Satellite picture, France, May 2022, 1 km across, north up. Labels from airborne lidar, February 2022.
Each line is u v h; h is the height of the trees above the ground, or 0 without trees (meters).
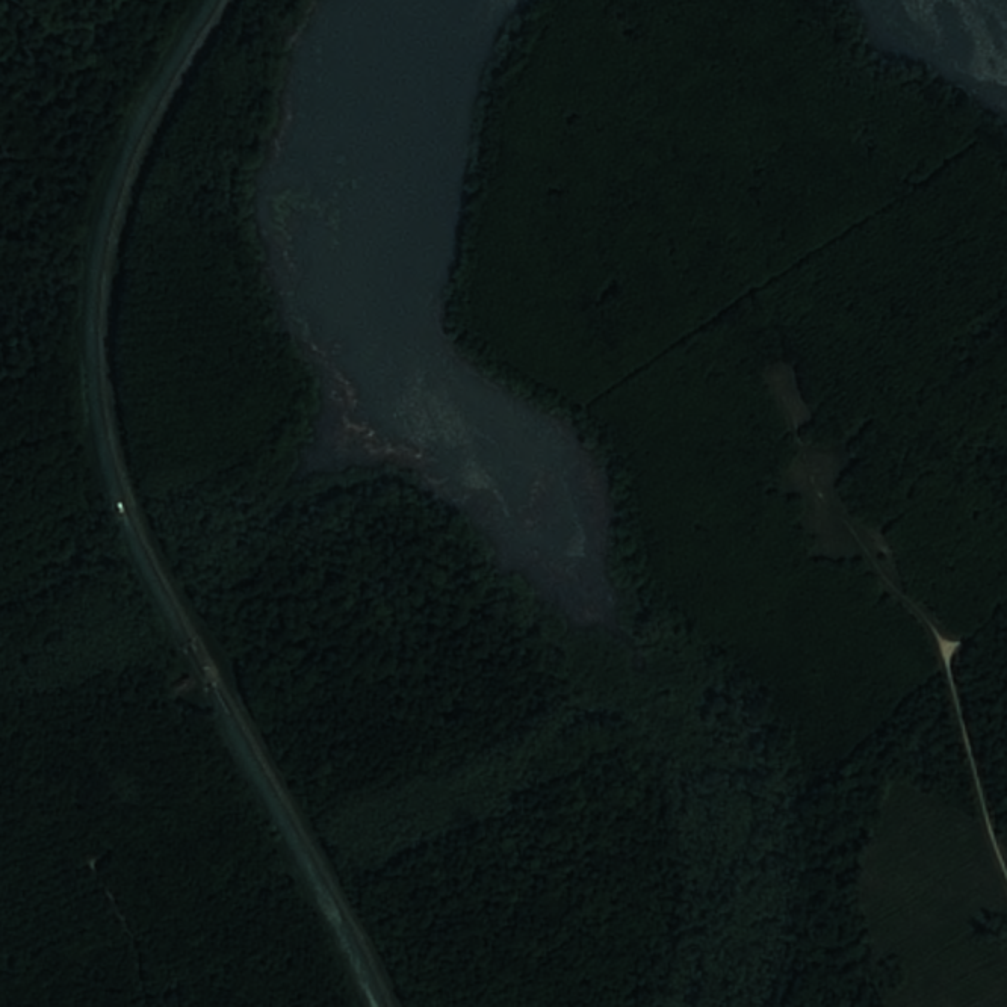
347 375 0
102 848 17
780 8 16
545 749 27
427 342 0
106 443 0
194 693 0
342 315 0
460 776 23
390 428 0
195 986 17
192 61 0
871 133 18
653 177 14
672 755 8
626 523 15
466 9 0
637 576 20
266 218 0
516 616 25
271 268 0
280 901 17
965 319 11
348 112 0
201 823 17
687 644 7
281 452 11
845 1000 24
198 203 15
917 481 10
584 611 0
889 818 0
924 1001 0
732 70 14
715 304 12
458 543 17
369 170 0
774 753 25
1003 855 0
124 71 23
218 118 19
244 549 25
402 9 0
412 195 0
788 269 11
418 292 0
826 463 0
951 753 25
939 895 0
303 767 0
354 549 31
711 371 7
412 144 0
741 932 24
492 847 0
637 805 23
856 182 14
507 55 6
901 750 24
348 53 0
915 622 9
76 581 17
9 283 20
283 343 22
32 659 17
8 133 18
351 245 0
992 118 12
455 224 0
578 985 20
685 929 19
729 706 24
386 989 0
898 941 0
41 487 21
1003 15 0
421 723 26
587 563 0
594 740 24
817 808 28
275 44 18
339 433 0
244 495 24
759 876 27
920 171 14
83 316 0
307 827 0
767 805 25
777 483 10
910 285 14
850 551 0
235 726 0
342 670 30
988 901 0
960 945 0
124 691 24
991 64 0
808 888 25
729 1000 23
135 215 18
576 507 0
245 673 22
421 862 0
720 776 19
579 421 19
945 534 12
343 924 0
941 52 0
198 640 0
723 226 13
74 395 21
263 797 0
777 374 0
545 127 11
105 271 0
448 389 0
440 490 0
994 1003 0
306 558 31
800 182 14
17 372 20
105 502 14
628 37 14
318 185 0
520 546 0
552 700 26
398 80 0
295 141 0
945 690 18
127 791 17
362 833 20
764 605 12
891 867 0
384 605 28
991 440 8
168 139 17
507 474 0
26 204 28
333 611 27
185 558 21
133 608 19
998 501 6
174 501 26
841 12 22
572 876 23
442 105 0
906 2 0
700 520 10
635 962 20
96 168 22
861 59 23
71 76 26
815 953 28
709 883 18
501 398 0
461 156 0
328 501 20
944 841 0
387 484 24
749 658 10
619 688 8
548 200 12
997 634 15
